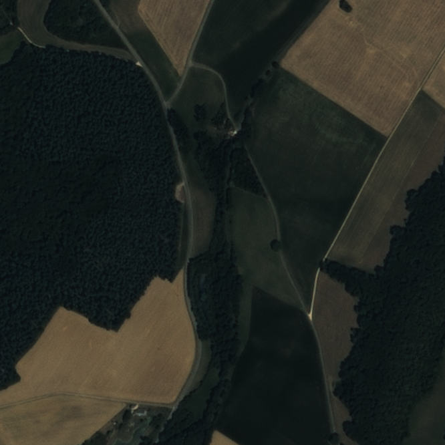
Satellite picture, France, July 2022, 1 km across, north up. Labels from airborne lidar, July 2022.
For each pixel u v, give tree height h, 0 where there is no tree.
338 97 0
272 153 0
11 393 0
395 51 0
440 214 23
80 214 32
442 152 0
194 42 0
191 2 0
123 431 0
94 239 27
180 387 0
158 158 29
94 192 30
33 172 33
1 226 33
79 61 34
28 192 31
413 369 12
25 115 25
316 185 0
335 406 0
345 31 0
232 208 13
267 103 0
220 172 17
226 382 18
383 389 19
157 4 0
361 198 0
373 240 0
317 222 0
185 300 0
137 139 28
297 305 0
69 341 0
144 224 28
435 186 23
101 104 29
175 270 22
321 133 0
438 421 0
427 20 0
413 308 19
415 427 0
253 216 0
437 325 19
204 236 0
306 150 0
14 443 0
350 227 0
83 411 0
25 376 0
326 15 0
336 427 0
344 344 0
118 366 0
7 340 6
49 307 32
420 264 22
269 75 12
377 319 26
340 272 23
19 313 36
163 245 29
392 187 0
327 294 0
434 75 0
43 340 0
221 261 21
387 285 25
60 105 31
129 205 23
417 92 0
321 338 0
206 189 0
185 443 23
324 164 0
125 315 27
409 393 17
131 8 0
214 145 10
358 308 14
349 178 0
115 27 0
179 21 0
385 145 0
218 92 0
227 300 19
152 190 29
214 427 17
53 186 29
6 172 27
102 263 33
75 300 33
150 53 0
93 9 15
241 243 0
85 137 31
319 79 0
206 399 0
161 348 0
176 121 23
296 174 0
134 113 29
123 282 29
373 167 0
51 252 30
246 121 9
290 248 0
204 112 25
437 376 20
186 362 0
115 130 32
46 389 0
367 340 21
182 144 17
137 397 0
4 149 30
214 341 12
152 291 0
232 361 21
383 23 0
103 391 0
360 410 23
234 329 16
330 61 0
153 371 0
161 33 0
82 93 27
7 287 13
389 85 0
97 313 10
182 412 8
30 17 0
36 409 0
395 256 21
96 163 13
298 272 0
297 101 0
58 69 30
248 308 0
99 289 8
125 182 27
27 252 29
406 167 0
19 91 27
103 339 0
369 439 24
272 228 0
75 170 30
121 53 0
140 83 25
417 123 0
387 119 0
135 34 0
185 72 0
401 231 23
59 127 35
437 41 0
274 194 0
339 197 0
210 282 8
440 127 0
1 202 29
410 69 0
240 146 17
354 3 0
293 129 0
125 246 28
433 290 12
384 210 0
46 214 24
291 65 0
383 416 20
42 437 0
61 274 23
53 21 21
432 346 21
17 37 0
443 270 14
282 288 0
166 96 0
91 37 15
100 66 26
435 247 20
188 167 0
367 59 0
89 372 0
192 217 0
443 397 0
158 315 0
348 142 0
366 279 26
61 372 0
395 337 21
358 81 0
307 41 0
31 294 30
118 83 30
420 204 22
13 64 19
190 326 0
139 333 0
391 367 16
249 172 7
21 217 28
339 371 0
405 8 0
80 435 0
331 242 0
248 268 0
